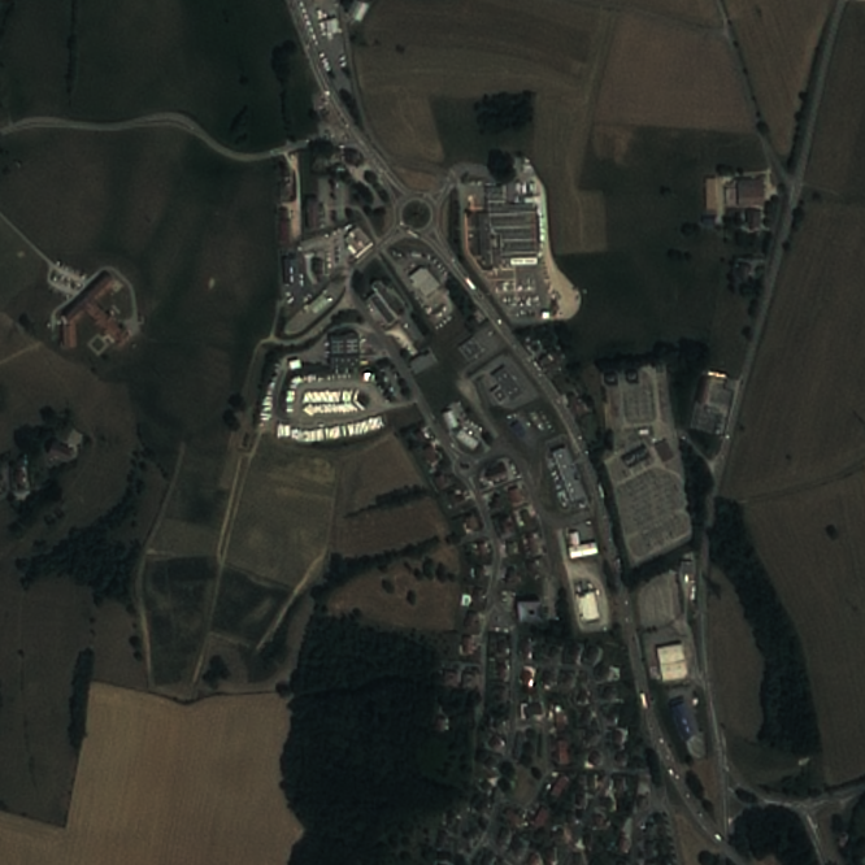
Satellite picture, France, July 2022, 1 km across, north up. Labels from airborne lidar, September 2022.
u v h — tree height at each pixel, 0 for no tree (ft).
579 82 0
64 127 0
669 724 0
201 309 0
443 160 0
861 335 0
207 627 0
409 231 0
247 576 0
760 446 0
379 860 65
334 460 0
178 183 0
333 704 79
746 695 0
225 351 0
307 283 0
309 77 0
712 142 0
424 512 0
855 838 33
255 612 0
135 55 0
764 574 27
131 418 0
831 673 0
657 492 0
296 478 0
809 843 57
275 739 0
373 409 0
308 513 0
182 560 0
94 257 0
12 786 0
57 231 0
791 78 0
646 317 0
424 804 54
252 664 0
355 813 92
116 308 0
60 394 0
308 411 0
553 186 0
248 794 0
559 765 31
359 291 43
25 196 0
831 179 0
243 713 0
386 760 88
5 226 0
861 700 0
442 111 0
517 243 0
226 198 0
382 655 58
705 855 41
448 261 0
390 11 0
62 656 0
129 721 0
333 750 78
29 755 0
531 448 0
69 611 0
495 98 22
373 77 0
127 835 0
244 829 0
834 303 0
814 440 0
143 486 40
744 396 0
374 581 0
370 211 37
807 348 0
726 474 0
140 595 0
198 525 0
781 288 0
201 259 0
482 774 0
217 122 0
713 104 0
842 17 0
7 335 0
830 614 0
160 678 0
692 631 0
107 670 0
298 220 0
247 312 0
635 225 0
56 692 0
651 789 0
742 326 0
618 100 0
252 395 0
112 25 0
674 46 0
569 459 21
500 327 0
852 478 0
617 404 0
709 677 0
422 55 0
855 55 0
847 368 0
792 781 23
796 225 34
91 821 0
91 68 0
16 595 0
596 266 0
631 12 0
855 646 0
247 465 0
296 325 0
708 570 0
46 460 0
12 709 0
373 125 0
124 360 0
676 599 0
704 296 0
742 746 0
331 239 0
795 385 0
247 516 0
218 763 0
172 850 0
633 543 0
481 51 0
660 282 0
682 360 64
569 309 0
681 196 0
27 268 0
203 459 0
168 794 0
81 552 52
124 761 0
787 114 0
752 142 0
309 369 0
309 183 0
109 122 0
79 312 0
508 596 0
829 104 0
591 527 0
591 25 0
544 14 0
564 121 0
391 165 0
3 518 0
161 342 0
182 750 0
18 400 0
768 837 54
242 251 0
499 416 0
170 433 0
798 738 57
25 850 0
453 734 28
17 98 0
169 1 0
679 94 0
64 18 0
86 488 0
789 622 59
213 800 0
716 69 0
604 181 0
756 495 0
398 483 0
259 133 0
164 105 0
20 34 0
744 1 0
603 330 0
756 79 0
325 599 41
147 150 0
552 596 0
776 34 0
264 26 0
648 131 0
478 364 0
